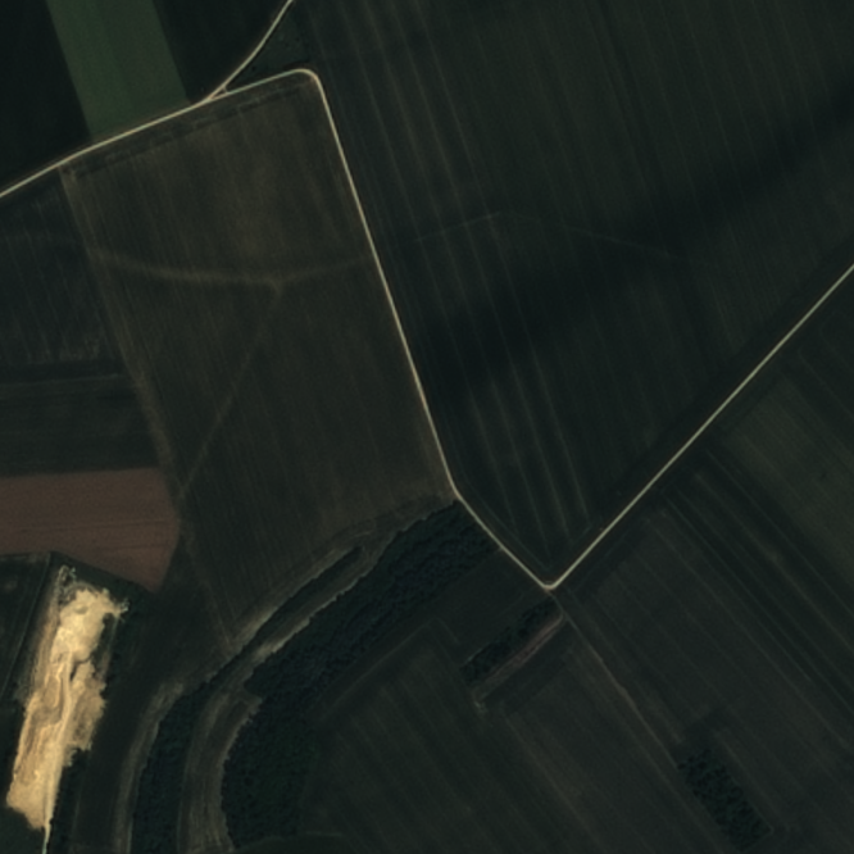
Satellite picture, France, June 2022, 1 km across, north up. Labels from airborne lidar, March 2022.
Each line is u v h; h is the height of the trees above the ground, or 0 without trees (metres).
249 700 0
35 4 0
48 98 0
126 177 0
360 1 0
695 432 0
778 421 0
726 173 0
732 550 0
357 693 0
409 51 0
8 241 0
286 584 0
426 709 0
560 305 0
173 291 0
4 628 0
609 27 0
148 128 0
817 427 0
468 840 0
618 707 0
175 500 0
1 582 0
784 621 0
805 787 0
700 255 0
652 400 0
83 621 0
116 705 0
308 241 0
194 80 0
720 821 12
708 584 0
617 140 0
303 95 0
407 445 0
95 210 0
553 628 0
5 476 0
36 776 0
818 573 0
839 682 0
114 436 0
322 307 0
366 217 0
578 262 0
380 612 7
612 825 0
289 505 0
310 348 0
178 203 0
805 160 0
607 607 0
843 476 0
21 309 0
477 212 0
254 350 0
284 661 11
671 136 0
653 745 0
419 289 0
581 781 0
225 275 0
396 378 0
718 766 7
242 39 0
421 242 0
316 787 0
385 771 0
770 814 0
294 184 0
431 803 0
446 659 0
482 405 0
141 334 0
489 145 0
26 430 0
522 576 0
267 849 0
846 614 0
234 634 0
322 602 0
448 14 0
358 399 0
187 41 0
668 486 0
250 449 0
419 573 11
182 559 0
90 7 0
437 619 0
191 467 0
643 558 0
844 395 0
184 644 0
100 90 0
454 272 0
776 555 0
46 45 0
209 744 0
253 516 0
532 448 0
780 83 0
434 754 0
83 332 0
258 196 0
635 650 0
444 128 0
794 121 0
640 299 0
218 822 0
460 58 0
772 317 0
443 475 0
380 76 0
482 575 0
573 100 0
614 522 0
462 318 0
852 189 0
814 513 0
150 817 10
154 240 0
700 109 0
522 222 0
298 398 0
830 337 0
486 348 0
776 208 0
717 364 0
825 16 0
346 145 0
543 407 0
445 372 0
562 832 0
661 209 0
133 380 0
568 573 0
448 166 0
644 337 0
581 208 0
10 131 0
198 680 0
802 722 0
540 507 0
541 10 0
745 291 0
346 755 0
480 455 0
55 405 0
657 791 0
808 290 0
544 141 0
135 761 0
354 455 0
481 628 0
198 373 0
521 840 0
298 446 0
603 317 0
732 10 0
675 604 0
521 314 0
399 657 0
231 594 0
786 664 0
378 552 0
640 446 0
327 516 0
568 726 0
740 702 0
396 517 0
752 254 0
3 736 0
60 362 0
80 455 0
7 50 0
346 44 0
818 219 0
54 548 0
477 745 0
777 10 0
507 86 0
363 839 0
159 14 0
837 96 0
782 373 0
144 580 0
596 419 0
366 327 0
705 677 0
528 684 0
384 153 0
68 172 0
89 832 0
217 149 0
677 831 0
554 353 0
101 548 0
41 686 0
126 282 0
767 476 0
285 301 0
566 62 0
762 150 0
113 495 0
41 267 0
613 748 0
